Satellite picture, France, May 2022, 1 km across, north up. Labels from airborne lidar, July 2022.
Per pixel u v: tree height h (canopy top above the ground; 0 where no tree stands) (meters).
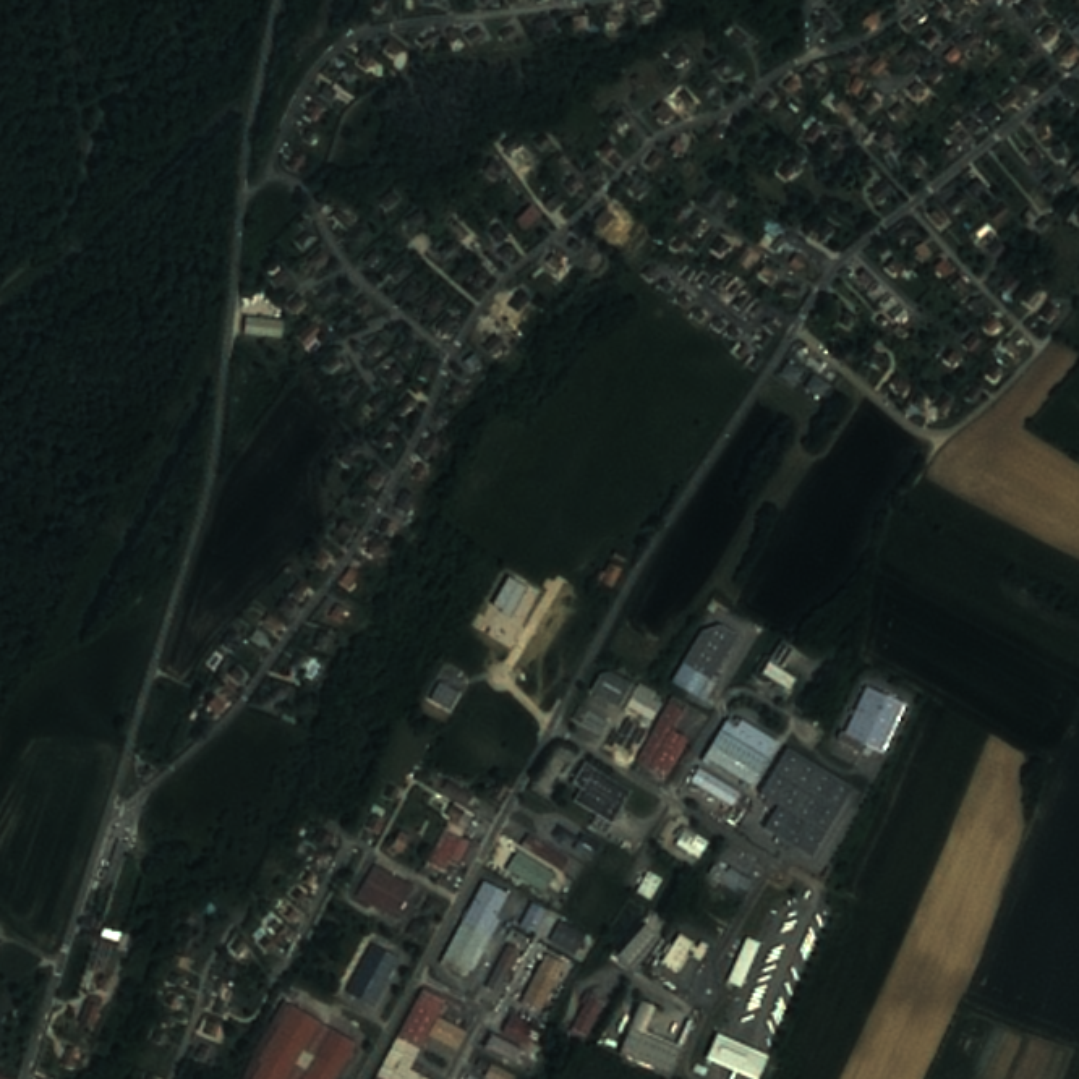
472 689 0
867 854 0
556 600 0
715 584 0
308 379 0
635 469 0
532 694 0
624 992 10
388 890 0
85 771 0
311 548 13
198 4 16
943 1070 0
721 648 0
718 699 0
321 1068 0
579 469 0
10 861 0
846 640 6
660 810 0
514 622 0
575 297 15
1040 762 11
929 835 0
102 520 17
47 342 21
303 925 0
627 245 0
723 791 0
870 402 0
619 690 0
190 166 15
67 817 0
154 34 14
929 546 0
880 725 0
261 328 0
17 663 22
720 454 0
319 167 6
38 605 19
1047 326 7
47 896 0
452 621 9
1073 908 0
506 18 0
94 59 17
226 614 0
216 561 0
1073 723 0
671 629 0
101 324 17
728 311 0
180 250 23
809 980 9
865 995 0
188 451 19
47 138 18
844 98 7
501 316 0
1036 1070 0
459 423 9
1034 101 0
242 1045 12
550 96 17
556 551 0
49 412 16
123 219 11
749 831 0
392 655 14
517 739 0
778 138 28
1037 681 0
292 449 0
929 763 0
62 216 16
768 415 0
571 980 0
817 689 13
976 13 0
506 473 0
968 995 0
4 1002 0
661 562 0
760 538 11
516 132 15
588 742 0
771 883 0
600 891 0
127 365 14
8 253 17
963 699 0
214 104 14
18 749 0
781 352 0
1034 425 7
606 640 0
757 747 0
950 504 0
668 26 17
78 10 10
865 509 0
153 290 17
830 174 13
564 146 6
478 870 0
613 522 0
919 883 0
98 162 18
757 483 18
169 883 14
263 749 0
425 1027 0
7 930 0
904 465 0
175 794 0
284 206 0
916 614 0
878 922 0
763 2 21
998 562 0
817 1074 0
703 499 0
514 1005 0
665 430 0
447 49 10
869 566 8
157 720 0
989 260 10
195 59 15
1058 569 0
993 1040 0
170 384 18
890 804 0
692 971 0
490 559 6
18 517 14
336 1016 0
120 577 14
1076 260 0
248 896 7
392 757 0
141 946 15
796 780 0
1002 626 0
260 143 13
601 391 0
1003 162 6
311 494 0
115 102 21
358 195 19
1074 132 7
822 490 0
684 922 0
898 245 9
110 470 19
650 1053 0
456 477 20
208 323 13
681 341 0
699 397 0
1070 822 0
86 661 0
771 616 0
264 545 0
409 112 22
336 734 19
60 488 10
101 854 0
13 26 20
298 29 8
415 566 18
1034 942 0
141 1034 13
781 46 11
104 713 0
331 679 12
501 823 0
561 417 0
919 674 0
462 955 0
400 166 20
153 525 17
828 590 0
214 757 0
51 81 20
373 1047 11
